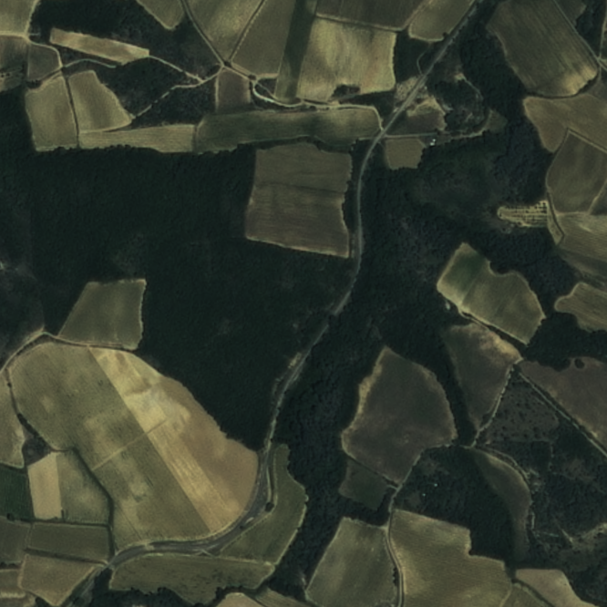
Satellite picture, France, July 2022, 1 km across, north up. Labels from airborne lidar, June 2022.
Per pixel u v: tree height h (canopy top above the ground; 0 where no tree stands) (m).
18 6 0
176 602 13
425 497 5
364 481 0
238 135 0
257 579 0
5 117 10
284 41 0
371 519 12
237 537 0
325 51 0
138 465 0
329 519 11
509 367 0
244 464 0
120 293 0
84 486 0
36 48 0
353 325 12
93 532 0
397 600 0
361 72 0
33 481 0
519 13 0
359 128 0
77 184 6
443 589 0
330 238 0
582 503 7
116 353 0
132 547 0
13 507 0
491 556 8
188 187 9
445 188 6
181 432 0
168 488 0
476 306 0
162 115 9
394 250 6
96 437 0
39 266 7
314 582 0
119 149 15
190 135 0
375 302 7
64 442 0
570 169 0
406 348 9
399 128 0
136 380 0
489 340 0
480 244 12
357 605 0
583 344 8
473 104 6
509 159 15
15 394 0
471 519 8
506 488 0
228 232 7
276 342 7
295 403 13
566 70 0
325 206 0
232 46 0
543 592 0
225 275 7
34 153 6
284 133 0
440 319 13
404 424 0
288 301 8
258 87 8
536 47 0
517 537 0
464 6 0
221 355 6
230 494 0
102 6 9
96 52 0
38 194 9
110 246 10
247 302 10
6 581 0
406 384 0
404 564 0
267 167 0
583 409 0
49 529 0
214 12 0
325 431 13
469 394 0
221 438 0
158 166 11
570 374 0
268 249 7
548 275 14
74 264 7
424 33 0
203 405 7
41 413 0
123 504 0
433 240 13
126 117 0
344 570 0
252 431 9
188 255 7
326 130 0
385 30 0
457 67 0
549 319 8
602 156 0
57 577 0
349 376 10
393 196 12
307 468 18
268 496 0
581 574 6
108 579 11
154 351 6
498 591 0
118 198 11
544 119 0
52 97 0
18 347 0
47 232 7
